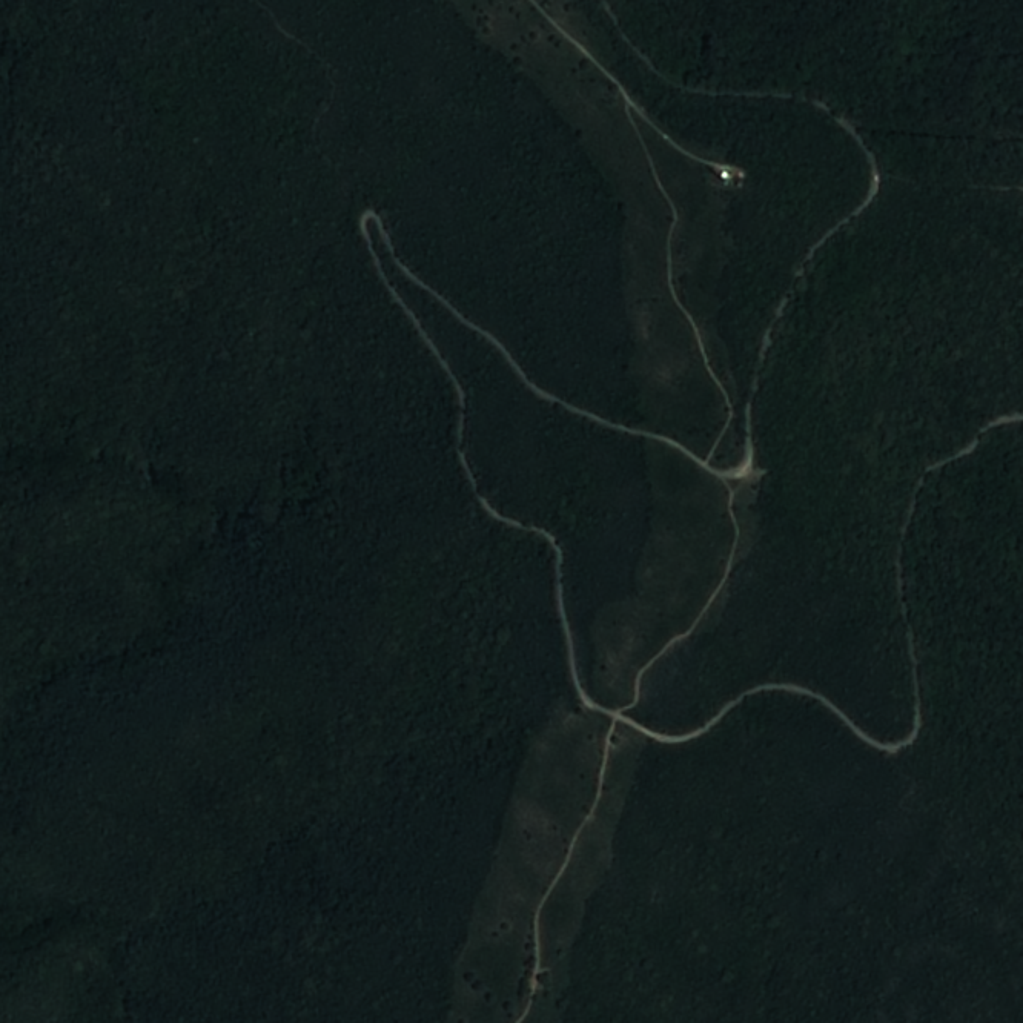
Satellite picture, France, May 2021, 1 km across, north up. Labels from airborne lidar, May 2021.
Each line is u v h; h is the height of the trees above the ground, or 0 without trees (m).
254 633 5
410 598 11
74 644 14
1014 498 11
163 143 10
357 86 7
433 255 7
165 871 6
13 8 13
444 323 6
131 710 6
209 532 16
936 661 10
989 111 11
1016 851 8
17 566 13
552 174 6
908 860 7
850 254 13
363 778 15
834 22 16
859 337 13
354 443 9
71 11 10
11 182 7
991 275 9
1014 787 12
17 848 8
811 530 9
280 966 7
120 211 6
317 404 11
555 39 8
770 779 10
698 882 8
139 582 10
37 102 11
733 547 0
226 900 14
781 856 9
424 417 10
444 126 7
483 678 12
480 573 10
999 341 9
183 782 7
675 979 8
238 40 11
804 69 13
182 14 6
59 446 15
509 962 0
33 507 9
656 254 0
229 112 7
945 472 12
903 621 14
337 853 8
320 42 6
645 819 6
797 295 8
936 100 17
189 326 16
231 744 7
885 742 8
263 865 16
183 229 8
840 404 13
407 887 6
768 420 7
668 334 0
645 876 5
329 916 14
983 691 12
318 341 9
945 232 6
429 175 6
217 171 6
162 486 24
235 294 6
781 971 15
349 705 8
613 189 6
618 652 0
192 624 11
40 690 15
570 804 0
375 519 10
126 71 12
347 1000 6
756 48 17
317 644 7
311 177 5
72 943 6
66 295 9
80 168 5
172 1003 10
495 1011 0
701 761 6
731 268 7
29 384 9
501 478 5
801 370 8
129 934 10
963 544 20
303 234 5
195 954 6
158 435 20
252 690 8
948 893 6
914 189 8
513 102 8
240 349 6
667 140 0
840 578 7
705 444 0
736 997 9
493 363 6
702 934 7
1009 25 17
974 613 12
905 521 10
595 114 0
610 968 6
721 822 7
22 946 18
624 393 6
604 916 6
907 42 13
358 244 10
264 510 18
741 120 9
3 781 12
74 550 8
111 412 11
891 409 8
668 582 0
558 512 10
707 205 0
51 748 7
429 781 8
